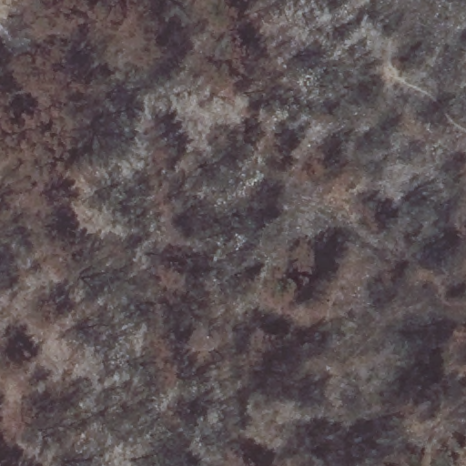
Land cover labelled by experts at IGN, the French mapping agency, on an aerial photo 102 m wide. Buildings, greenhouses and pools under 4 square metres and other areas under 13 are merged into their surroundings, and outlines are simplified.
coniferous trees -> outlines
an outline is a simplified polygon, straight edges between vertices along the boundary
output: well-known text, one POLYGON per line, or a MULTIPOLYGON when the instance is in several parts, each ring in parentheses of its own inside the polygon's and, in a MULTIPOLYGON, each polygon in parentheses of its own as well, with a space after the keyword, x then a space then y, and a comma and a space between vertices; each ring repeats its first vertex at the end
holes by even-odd
POLYGON ((411 444, 410 433, 404 428, 404 419, 411 417, 419 422, 426 422, 435 419, 441 410, 441 400, 451 404, 453 400, 466 395, 466 377, 461 379, 457 373, 444 371, 442 351, 448 349, 451 353, 461 355, 461 362, 466 366, 466 0, 31 0, 31 9, 25 13, 24 20, 33 27, 36 42, 31 44, 33 49, 29 51, 29 55, 22 56, 18 62, 11 62, 11 69, 5 71, 5 76, 0 76, 0 466, 397 466, 400 457, 406 453, 424 457, 424 448, 411 444))

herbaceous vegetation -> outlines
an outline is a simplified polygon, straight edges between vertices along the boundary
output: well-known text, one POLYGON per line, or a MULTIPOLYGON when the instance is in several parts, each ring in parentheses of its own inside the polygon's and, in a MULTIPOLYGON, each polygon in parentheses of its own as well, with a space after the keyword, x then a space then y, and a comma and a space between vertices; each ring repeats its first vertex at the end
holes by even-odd
POLYGON ((451 353, 448 349, 442 351, 444 371, 457 373, 461 379, 466 377, 466 366, 461 362, 461 355, 451 353))
POLYGON ((400 457, 397 466, 466 466, 466 395, 453 400, 451 404, 441 400, 441 410, 435 419, 426 422, 419 422, 411 417, 404 419, 404 428, 410 433, 411 444, 424 448, 424 457, 406 453, 400 457))

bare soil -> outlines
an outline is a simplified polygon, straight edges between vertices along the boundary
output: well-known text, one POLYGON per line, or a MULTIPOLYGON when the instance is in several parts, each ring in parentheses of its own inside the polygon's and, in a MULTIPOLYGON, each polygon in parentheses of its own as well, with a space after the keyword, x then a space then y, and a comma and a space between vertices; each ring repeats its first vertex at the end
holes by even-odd
POLYGON ((25 13, 31 9, 31 0, 0 0, 0 76, 5 76, 5 71, 11 69, 11 62, 18 62, 22 56, 29 55, 29 51, 33 49, 31 44, 36 42, 33 27, 24 20, 25 13))

